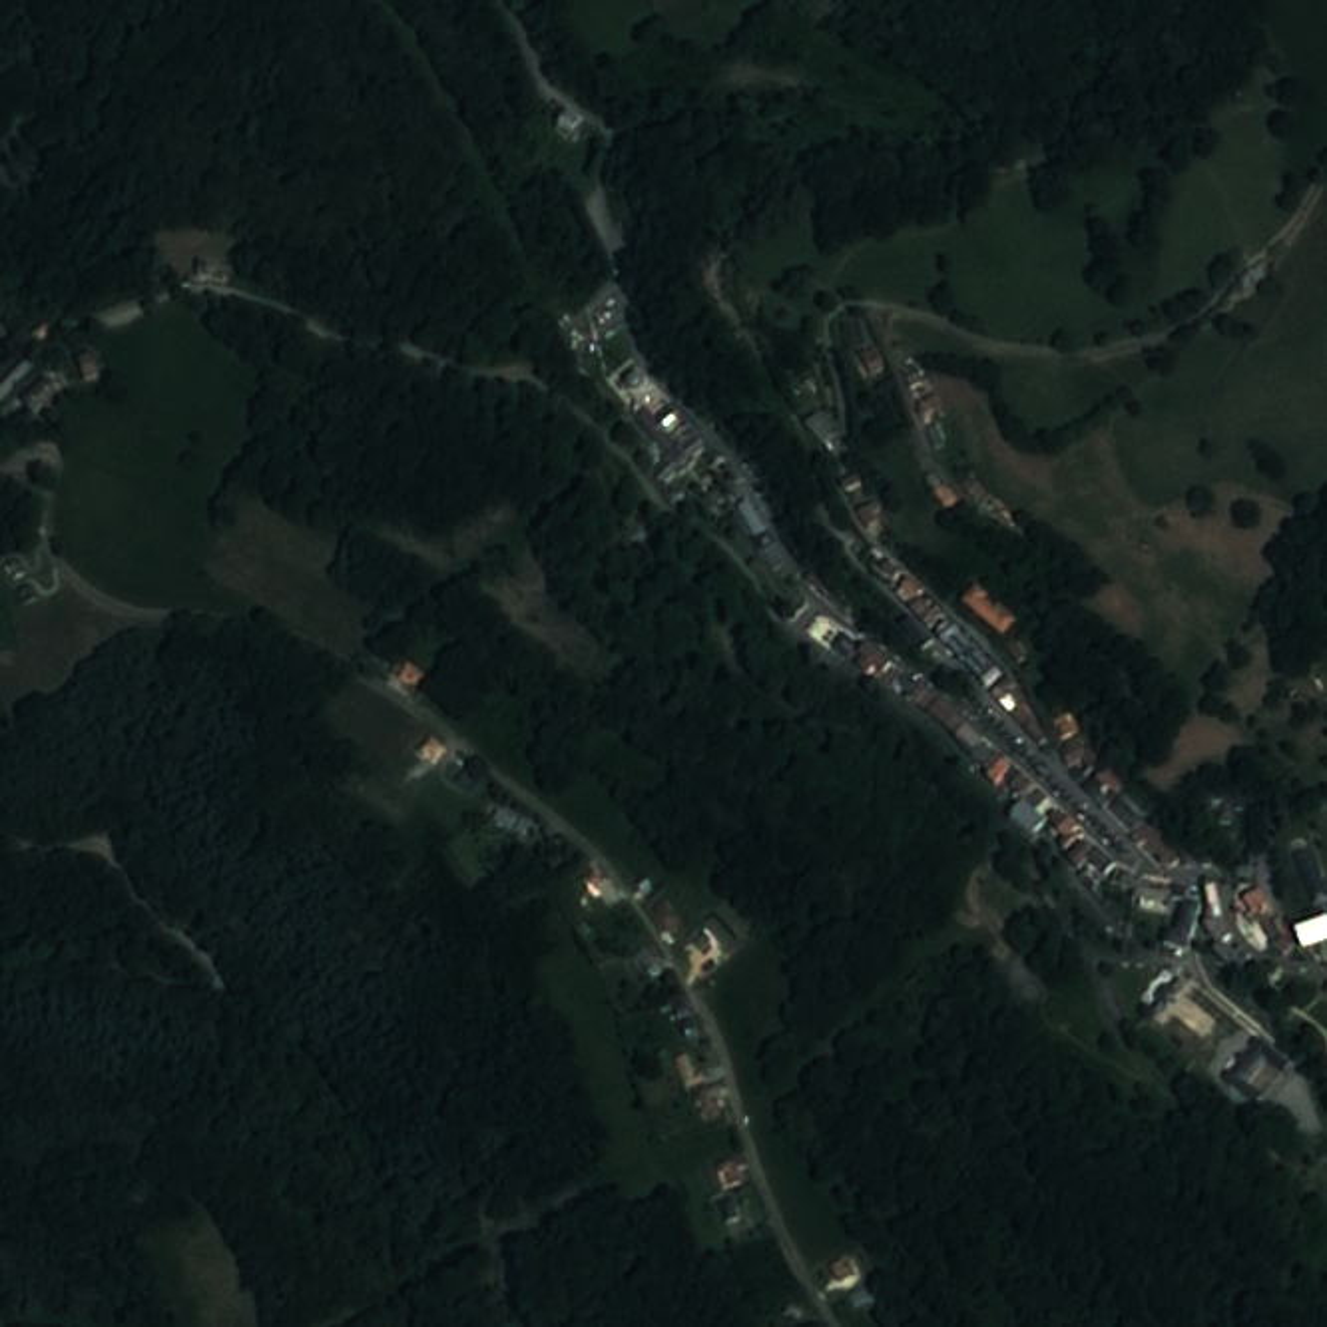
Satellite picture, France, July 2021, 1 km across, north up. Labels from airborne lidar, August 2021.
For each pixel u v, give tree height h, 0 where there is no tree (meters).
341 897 25
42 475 21
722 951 0
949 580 8
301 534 0
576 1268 29
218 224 22
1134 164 0
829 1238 0
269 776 27
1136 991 0
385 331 20
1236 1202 36
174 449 0
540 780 12
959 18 28
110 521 0
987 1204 13
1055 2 26
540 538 17
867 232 20
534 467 31
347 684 18
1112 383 0
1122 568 0
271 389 17
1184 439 0
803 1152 12
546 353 31
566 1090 24
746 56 23
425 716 0
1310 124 0
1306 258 0
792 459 18
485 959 9
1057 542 17
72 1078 25
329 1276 32
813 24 0
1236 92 26
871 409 16
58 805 22
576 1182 30
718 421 9
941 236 0
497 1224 24
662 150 29
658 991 12
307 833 26
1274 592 16
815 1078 22
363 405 22
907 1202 23
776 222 23
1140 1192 24
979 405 0
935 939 8
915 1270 17
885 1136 23
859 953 24
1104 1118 17
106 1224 28
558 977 0
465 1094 25
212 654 23
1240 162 0
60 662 0
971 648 0
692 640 33
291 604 0
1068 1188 26
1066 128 10
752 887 24
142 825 22
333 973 29
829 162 27
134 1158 21
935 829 34
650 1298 31
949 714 0
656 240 25
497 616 27
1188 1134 31
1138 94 28
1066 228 0
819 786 34
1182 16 24
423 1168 30
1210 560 0
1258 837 11
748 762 33
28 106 34
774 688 31
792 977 20
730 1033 0
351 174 26
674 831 28
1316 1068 18
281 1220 32
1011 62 26
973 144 26
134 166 22
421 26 21
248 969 26
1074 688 22
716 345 23
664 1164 0
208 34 23
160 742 24
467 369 20
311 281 31
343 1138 19
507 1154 16
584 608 31
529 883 27
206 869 24
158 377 0
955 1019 21
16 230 27
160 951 33
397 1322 23
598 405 9
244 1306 0
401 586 23
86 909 24
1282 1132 30
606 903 0
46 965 24
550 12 24
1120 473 0
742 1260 7
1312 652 27
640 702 27
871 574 8
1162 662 11
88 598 0
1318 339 0
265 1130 30
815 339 11
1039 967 21
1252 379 0
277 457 29
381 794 0
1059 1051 9
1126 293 17
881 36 26
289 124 23
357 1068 27
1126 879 0
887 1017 15
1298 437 0
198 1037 23
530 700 28
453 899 9
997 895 0
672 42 16
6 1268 25
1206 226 0
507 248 19
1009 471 0
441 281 25
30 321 6
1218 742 0
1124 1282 18
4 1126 22
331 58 20
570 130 0
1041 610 29
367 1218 24
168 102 23
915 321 0
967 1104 14
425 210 20
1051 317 0
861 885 21
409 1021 24
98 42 25
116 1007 26
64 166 29
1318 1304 31
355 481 24
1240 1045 0
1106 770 12
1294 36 0
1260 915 0
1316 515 16
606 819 0
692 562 33
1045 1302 11
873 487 17
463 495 29
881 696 23
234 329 24
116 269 24
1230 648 13
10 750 27
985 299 0
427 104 22
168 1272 0
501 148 24
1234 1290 31
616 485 8
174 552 0
